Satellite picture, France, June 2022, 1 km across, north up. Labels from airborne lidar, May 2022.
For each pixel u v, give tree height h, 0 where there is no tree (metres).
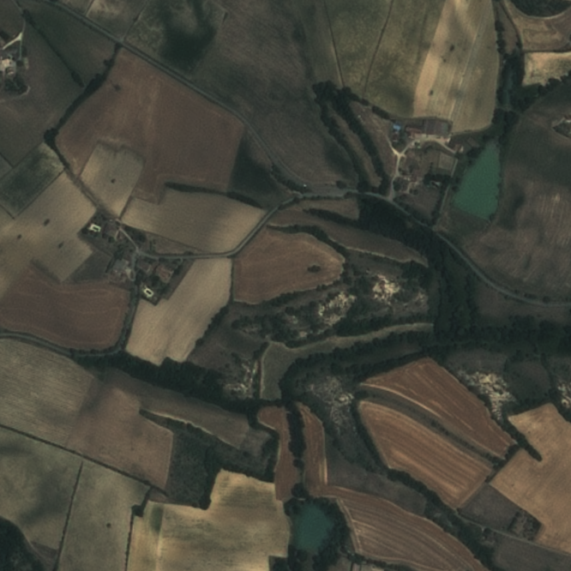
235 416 0
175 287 0
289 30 0
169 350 0
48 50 0
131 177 0
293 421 30
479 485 0
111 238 6
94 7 0
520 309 0
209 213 0
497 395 0
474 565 0
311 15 0
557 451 0
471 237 0
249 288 0
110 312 0
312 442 0
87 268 0
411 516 0
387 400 0
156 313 0
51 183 0
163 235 0
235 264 0
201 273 0
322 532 0
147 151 0
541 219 0
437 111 0
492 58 0
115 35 0
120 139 0
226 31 0
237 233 0
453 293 15
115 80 0
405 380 0
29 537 0
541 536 0
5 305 0
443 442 0
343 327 16
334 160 0
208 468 11
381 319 10
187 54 0
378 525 0
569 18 0
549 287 0
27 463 0
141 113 0
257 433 0
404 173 11
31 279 0
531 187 0
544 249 0
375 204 11
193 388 19
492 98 0
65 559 0
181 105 0
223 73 0
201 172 0
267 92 0
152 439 0
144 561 0
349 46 0
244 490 0
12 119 0
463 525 9
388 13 0
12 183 0
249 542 0
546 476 0
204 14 0
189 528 0
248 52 0
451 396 0
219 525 0
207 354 0
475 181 0
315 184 0
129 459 0
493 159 0
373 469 7
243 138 0
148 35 0
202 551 0
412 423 0
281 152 0
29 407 0
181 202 0
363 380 10
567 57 0
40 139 0
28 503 0
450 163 0
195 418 0
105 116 0
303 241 0
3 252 0
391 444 0
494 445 0
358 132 8
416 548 0
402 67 0
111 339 0
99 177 0
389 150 0
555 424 0
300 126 0
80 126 0
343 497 0
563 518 0
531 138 0
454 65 0
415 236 19
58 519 0
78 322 0
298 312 7
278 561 11
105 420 0
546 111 0
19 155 0
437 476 0
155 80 0
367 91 0
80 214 0
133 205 0
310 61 0
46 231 0
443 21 0
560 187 0
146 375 12
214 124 0
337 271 0
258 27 0
